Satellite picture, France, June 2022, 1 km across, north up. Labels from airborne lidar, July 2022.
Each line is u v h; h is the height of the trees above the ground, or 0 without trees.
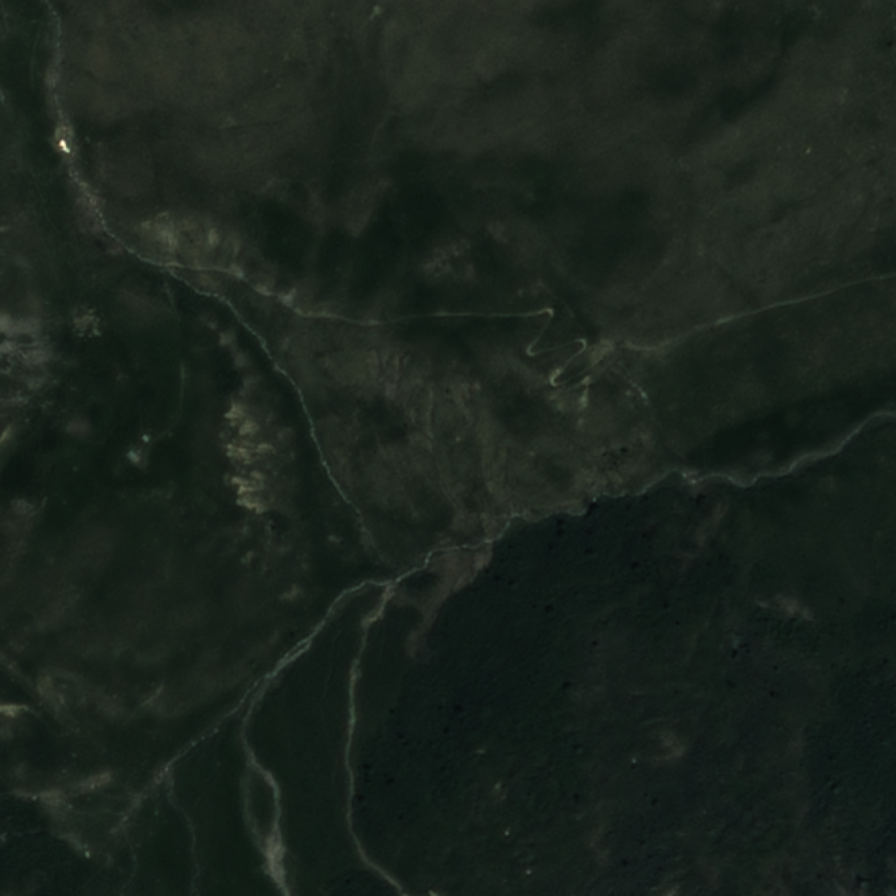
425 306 0
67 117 0
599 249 0
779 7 0
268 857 0
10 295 0
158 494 0
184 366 0
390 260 0
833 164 0
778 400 0
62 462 0
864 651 0
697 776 0
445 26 0
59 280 0
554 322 0
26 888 0
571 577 0
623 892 0
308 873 0
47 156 0
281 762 0
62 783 0
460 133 0
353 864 0
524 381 0
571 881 0
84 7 0
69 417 0
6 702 0
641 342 0
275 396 0
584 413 0
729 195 0
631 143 0
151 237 0
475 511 0
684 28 0
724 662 0
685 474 0
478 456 0
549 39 0
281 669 0
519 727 7
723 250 0
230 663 0
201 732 0
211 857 0
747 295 0
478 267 0
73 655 0
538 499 0
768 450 0
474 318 0
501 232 0
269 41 0
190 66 0
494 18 0
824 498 0
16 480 0
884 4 0
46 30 0
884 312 0
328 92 0
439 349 0
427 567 0
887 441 0
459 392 0
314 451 0
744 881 0
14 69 0
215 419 0
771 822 0
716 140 0
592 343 0
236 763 0
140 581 0
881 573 0
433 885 0
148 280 0
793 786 0
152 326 0
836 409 0
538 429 0
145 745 0
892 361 0
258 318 0
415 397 0
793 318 0
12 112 0
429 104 0
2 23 0
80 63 0
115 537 0
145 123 0
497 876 0
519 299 0
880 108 0
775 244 0
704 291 0
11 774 0
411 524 0
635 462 0
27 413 0
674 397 0
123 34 0
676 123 0
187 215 0
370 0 0
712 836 0
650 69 0
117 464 0
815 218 0
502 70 0
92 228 0
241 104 0
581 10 0
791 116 0
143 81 0
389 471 0
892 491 0
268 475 0
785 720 0
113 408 0
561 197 0
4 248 0
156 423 0
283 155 0
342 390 0
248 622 0
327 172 0
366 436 0
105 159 0
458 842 0
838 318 0
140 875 0
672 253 0
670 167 0
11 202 0
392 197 0
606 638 0
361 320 0
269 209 0
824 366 0
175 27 0
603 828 0
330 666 0
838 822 0
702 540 0
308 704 0
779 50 0
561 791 0
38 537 0
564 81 0
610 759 0
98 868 0
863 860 0
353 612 0
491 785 0
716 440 0
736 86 0
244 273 0
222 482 0
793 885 0
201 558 0
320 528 0
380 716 0
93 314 0
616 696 0
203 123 0
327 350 0
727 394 0
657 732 0
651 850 0
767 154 0
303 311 0
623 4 0
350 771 0
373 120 0
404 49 0
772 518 0
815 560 0
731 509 0
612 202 0
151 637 0
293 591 0
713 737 0
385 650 0
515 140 0
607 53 0
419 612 0
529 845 0
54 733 0
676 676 0
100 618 0
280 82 0
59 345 0
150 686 0
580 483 0
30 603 0
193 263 0
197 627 0
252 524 0
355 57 0
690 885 0
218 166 0
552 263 0
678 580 0
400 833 0
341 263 0
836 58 0
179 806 0
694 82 0
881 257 0
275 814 0
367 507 0
